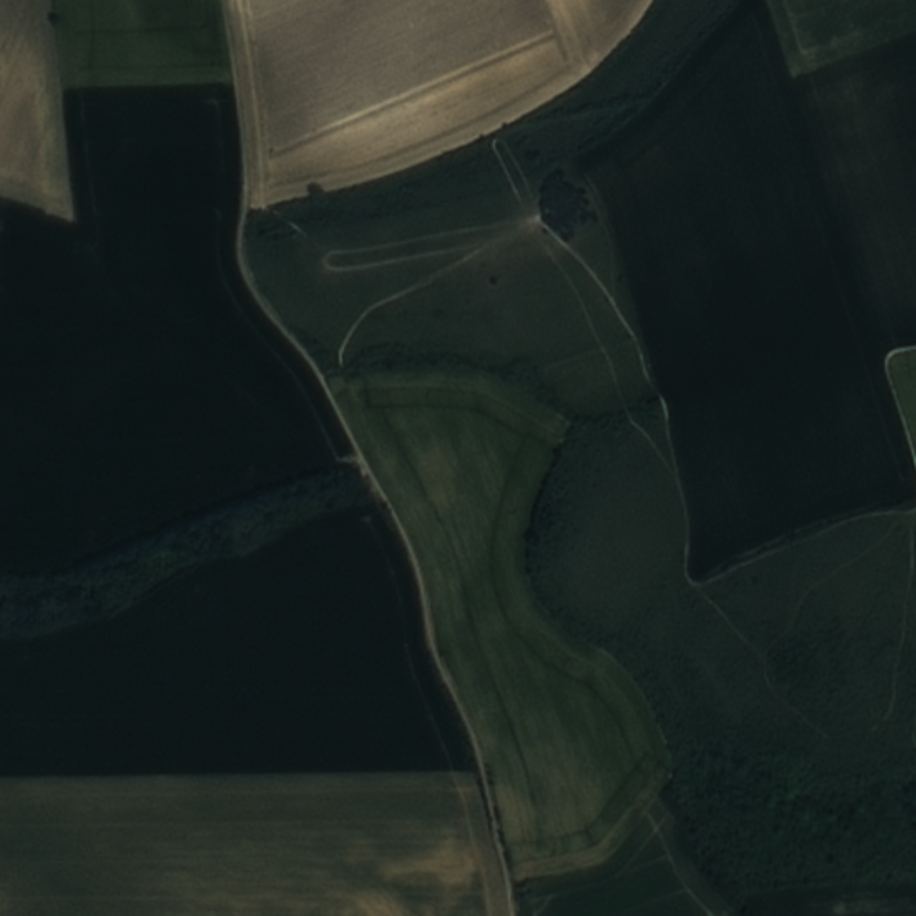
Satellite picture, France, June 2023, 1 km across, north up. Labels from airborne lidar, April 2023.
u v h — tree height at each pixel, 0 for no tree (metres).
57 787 0
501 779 0
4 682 0
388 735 0
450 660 0
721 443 0
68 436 0
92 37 0
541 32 0
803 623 0
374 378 0
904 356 0
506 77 0
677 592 0
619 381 0
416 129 0
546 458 0
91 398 0
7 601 13
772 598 0
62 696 0
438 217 0
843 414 0
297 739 0
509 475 0
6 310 0
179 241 0
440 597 0
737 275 0
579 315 0
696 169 0
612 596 0
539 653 0
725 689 0
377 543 0
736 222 0
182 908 0
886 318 0
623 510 0
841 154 0
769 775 12
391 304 0
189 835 0
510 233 0
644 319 0
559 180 8
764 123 0
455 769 0
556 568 0
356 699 0
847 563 0
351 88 0
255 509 22
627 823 0
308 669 0
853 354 0
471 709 0
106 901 0
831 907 0
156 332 0
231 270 0
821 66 0
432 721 0
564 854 0
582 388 0
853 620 0
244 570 0
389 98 0
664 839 0
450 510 0
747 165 0
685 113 0
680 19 0
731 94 0
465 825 0
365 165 0
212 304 0
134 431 0
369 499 11
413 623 0
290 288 0
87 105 0
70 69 0
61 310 0
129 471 0
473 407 0
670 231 0
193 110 0
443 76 0
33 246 0
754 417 0
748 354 0
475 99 0
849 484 0
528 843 0
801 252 0
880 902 0
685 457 0
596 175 0
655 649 0
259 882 0
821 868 6
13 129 0
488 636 0
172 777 0
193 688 0
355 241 0
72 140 0
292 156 0
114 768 0
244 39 0
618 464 0
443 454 0
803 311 0
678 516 0
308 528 0
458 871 0
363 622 0
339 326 0
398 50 0
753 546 0
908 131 0
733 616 0
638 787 0
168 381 0
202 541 21
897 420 0
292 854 0
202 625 0
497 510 0
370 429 0
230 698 0
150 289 0
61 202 0
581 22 0
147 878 0
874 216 0
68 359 0
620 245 0
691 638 0
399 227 0
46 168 0
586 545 0
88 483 0
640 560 0
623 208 0
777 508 0
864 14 0
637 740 0
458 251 0
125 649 0
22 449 0
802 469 0
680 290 0
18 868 0
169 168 0
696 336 0
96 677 0
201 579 0
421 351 0
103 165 0
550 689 0
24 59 0
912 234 0
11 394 0
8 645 0
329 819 0
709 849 7
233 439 0
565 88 0
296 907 0
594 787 0
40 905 0
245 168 0
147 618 0
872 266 0
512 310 0
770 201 0
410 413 0
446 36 0
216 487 0
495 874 0
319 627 0
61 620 17
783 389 0
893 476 0
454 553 0
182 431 0
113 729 0
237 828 0
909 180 0
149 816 0
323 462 0
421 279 0
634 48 0
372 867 0
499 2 0
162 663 0
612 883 0
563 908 0
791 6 0
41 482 0
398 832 0
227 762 0
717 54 0
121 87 0
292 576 0
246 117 0
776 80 0
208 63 0
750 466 0
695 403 0
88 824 0
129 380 0
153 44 0
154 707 0
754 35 0
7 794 0
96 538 0
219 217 0
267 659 0
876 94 0
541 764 0
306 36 0
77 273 0
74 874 0
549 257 0
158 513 0
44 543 0
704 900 0
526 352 0
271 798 0
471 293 0
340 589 0
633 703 0
